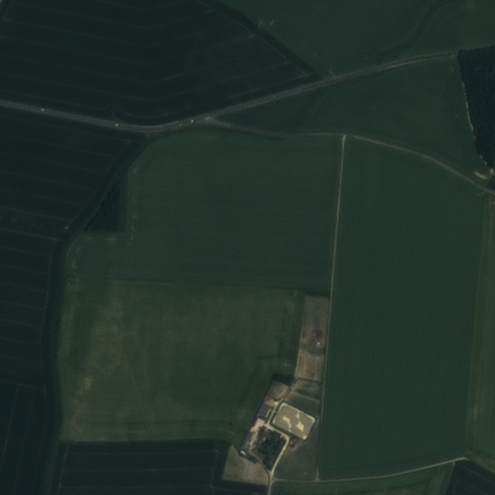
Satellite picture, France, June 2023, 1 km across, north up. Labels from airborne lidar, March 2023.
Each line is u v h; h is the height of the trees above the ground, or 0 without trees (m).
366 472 0
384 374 0
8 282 0
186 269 0
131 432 0
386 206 0
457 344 0
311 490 0
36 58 0
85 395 0
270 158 0
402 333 0
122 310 0
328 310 0
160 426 0
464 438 0
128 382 0
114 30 0
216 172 0
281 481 0
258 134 0
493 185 0
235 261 0
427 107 0
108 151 0
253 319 0
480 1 0
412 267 0
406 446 0
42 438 0
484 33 0
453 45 0
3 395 0
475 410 0
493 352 0
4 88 0
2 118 0
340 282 0
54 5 0
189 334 0
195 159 0
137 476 0
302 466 0
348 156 0
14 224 0
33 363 0
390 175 0
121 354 0
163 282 0
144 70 0
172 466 0
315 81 0
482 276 0
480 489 0
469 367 0
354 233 0
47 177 0
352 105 0
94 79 0
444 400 0
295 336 0
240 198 0
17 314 0
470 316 0
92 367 0
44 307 0
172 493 0
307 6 0
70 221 0
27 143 0
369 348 0
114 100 0
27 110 0
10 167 0
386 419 0
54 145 0
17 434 0
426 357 0
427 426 0
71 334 0
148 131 0
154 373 0
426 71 0
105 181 0
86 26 0
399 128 0
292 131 0
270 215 0
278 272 0
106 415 0
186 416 0
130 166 0
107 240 0
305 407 0
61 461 0
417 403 0
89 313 0
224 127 0
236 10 0
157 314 0
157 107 0
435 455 0
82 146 0
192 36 0
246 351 0
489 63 20
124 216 0
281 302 0
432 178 0
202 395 0
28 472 0
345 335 0
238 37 0
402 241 0
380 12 0
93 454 0
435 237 0
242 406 0
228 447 0
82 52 0
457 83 0
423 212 0
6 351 0
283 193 0
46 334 0
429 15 0
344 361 0
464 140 0
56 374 0
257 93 0
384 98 0
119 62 0
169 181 0
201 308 0
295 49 0
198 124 0
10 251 0
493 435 0
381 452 0
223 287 0
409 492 0
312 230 0
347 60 0
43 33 0
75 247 0
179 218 0
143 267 0
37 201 0
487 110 20
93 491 0
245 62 0
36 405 0
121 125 0
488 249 0
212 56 0
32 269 0
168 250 0
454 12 0
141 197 0
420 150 0
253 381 0
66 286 0
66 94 0
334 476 0
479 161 0
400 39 0
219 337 0
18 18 0
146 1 0
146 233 0
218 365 0
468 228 0
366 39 0
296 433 0
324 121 0
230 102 0
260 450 7
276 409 0
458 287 0
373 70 0
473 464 0
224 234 0
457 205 0
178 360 0
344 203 0
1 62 0
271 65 0
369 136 0
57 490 0
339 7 0
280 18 0
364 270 0
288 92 0
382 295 0
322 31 0
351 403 0
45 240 0
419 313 0
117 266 0
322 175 0
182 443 0
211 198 0
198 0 0
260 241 0
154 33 0
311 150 0
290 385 0
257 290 0
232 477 0
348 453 0
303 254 0
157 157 0
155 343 0
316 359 0
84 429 0
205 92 0
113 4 0
